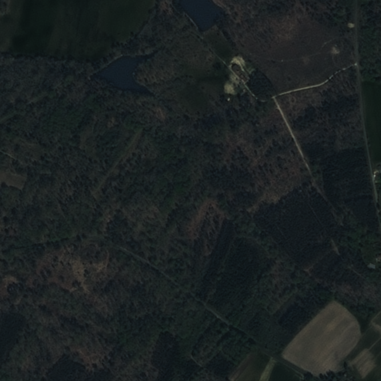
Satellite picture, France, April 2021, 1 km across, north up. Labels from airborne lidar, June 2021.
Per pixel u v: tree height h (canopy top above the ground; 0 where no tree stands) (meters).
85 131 15
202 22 0
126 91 12
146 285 24
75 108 19
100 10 0
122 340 20
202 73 0
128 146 17
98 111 14
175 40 10
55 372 13
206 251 6
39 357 13
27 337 15
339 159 8
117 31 0
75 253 9
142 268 13
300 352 0
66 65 13
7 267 23
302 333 0
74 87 15
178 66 9
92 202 17
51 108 15
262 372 0
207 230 17
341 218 16
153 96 21
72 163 12
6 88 9
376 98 0
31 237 21
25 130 13
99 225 16
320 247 15
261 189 12
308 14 10
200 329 11
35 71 10
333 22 9
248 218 28
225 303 9
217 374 9
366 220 18
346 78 9
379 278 8
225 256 18
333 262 7
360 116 13
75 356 14
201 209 16
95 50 0
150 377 14
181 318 15
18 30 0
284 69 0
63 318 13
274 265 17
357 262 17
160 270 17
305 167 6
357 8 0
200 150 23
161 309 14
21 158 12
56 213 10
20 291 23
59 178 10
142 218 16
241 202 24
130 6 0
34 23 0
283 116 0
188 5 0
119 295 16
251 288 7
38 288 23
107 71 0
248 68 0
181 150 21
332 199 10
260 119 12
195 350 14
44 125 12
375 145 0
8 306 14
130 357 19
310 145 8
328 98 16
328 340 0
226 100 7
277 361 0
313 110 13
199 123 11
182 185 24
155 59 15
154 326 18
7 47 0
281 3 18
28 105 15
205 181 14
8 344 17
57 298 20
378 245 6
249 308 13
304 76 0
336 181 8
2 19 0
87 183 16
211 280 19
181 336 10
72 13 0
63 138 15
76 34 0
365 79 13
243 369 0
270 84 17
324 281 8
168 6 9
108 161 12
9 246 15
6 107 13
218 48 0
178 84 12
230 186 16
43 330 11
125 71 0
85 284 0
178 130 20
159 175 21
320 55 0
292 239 18
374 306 10
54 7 0
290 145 9
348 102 11
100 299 12
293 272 8
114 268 10
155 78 9
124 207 8
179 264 20
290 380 0
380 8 10
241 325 9
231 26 12
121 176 11
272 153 12
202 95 0
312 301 24
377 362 0
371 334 0
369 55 15
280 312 8
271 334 8
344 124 6
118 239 23
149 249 15
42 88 11
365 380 0
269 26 13
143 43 17
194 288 19
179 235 11
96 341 13
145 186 12
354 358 0
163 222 10
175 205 17
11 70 19
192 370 9
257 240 16
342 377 13
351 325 0
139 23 0
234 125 18
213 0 0
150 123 19
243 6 12
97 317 13
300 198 20
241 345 24
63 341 14
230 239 17
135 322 15
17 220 16
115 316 12
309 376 13
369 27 9
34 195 12
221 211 18
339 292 15
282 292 7
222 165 10
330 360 0
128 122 24
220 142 10
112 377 9
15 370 18
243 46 15
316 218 19
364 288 12
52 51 0
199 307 15
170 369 9
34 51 0
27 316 18
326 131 12
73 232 18
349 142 16
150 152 9
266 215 18
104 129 10
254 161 8
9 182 0
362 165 8
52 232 21
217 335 16
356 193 8
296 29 0
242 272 8
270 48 12
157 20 17
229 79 19
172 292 14
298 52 0
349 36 0
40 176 11
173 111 24
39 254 23
